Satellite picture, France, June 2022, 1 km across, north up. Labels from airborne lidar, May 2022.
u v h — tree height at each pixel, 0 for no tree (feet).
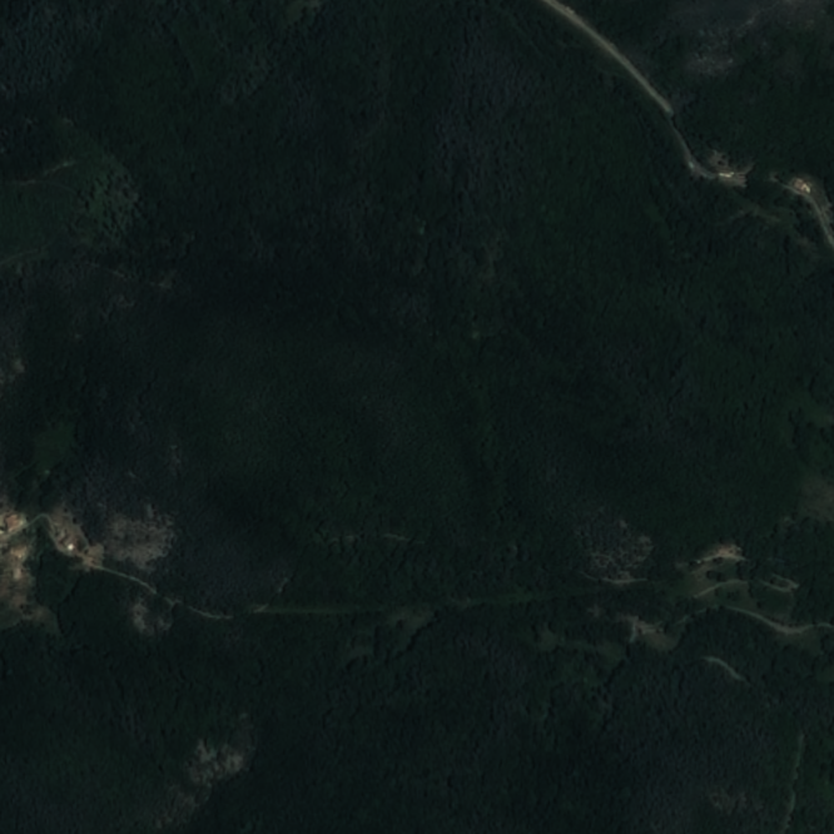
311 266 62
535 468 47
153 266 49
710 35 18
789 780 60
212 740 34
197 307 43
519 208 35
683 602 29
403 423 40
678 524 64
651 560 31
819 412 0
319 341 55
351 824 72
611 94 34
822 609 59
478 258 40
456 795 62
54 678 72
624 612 40
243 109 70
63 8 59
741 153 40
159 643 53
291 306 70
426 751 64
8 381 32
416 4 71
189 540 35
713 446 61
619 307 66
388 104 28
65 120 44
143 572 21
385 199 63
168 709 66
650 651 58
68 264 51
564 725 76
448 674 64
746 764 60
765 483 54
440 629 60
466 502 50
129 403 30
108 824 49
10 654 67
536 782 56
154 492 33
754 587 48
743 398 63
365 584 61
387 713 75
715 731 47
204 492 51
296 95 52
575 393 64
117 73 59
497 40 58
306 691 74
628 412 72
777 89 40
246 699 80
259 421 40
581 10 26
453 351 78
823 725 49
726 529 40
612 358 69
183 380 56
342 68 60
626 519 41
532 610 75
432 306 55
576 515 37
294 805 71
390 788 60
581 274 67
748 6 0
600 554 23
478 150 69
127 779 63
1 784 53
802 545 52
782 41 35
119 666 67
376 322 66
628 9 37
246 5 104
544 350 46
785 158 51
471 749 49
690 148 36
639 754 78
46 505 58
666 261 66
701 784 49
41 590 47
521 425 51
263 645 72
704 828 46
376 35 27
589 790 70
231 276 43
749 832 34
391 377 41
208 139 53
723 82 25
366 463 77
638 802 56
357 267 41
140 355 57
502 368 61
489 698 56
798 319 105
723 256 53
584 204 53
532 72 62
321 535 60
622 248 60
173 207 63
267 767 99
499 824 54
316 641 74
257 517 67
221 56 66
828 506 0
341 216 43
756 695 51
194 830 60
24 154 70
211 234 38
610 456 62
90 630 73
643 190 66
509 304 25
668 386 56
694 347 48
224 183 58
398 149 58
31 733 62
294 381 60
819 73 26
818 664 45
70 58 54
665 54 38
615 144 49
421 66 40
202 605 23
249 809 91
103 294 41
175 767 33
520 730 63
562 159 52
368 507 55
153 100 69
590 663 66
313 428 69
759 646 58
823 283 69
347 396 49
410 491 50
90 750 58
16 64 75
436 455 48
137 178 47
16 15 48
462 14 76
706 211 25
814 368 59
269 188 54
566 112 40
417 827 59
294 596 71
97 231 26
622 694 58
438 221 29
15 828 64
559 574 68
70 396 62
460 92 73
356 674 71
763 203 49
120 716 58
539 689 73
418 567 85
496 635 75
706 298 51
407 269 29
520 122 40
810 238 50
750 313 57
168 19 41
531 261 44
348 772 70
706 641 43
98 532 27
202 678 76
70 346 58
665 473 54
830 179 41
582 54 46
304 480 60
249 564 61
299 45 70
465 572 63
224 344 45
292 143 73
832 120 49
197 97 72
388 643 43
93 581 42
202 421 48
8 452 45
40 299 63
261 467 43
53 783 72
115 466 42
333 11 71
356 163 35
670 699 55
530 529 66
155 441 51
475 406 78
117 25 52
